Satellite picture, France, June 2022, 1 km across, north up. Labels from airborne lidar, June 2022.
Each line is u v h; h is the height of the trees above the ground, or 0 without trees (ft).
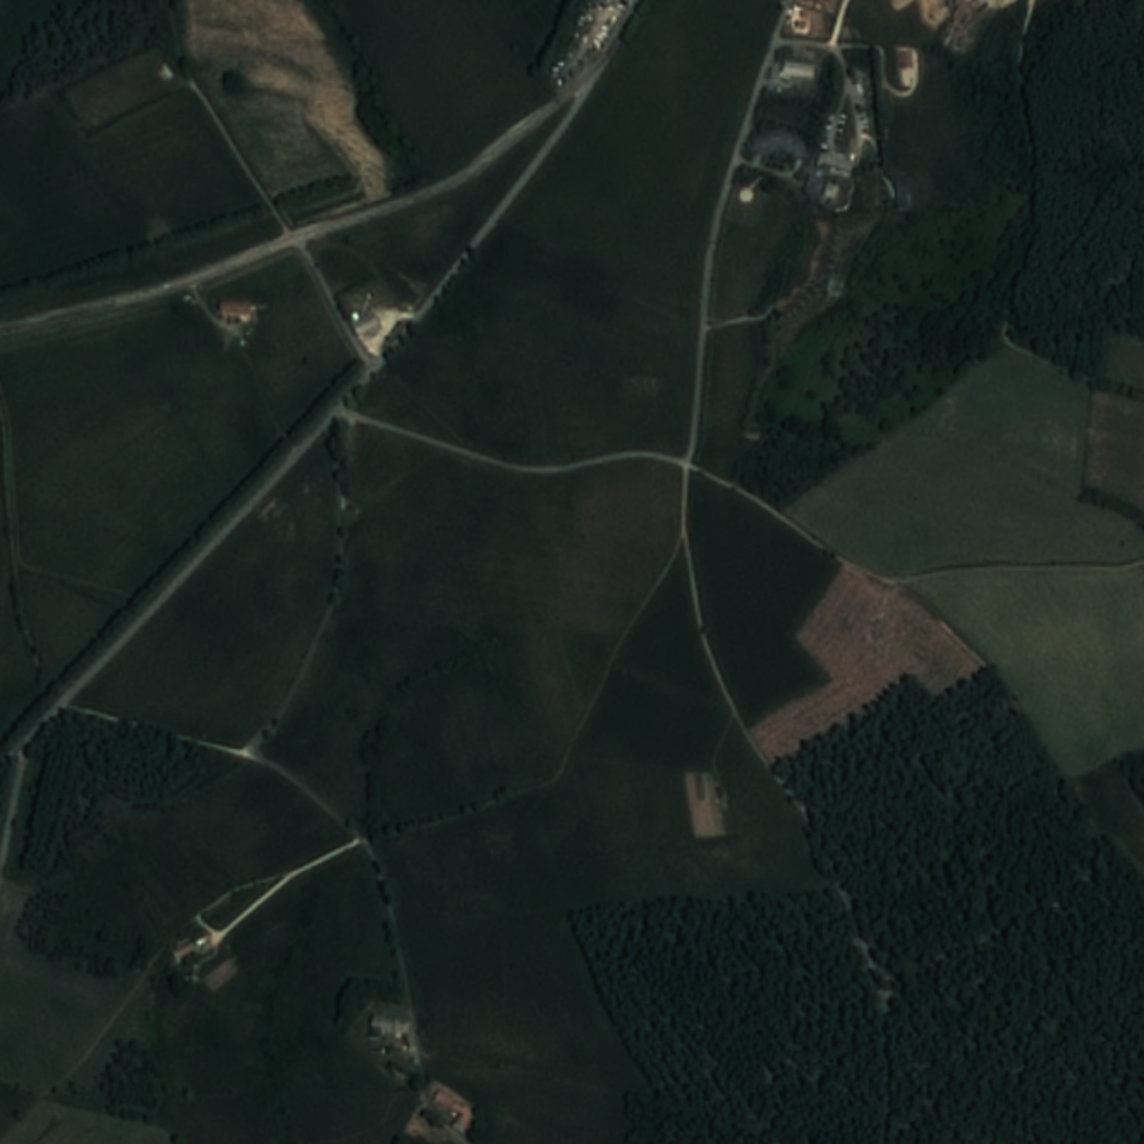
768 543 0
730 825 0
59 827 54
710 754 0
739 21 0
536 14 0
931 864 34
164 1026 0
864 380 51
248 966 0
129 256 41
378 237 0
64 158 0
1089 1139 86
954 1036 60
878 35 0
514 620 0
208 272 0
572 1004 0
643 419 0
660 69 0
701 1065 57
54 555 0
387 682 0
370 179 0
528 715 0
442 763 0
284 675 0
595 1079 0
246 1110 0
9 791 70
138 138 0
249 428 0
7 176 0
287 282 0
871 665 0
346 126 0
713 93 0
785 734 0
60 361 0
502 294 0
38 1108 0
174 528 0
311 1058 0
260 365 0
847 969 69
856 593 0
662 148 0
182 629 0
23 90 42
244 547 0
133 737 70
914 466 0
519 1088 0
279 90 0
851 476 0
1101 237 96
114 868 0
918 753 83
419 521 0
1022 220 30
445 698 0
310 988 0
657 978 67
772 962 69
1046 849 65
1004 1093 52
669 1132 58
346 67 0
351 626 0
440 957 0
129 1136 0
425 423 0
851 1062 82
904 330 48
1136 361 0
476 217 0
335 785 0
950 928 68
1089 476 0
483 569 0
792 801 38
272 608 0
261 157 0
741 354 0
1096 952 60
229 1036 0
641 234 0
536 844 0
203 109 0
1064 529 0
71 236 0
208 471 0
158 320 0
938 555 0
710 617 0
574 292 0
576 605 0
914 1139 28
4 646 0
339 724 0
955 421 0
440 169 0
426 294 0
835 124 0
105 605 0
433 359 0
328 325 0
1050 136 71
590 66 0
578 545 0
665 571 0
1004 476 0
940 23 0
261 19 0
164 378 0
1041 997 85
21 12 0
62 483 0
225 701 0
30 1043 0
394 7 0
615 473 0
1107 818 0
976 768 87
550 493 0
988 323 33
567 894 0
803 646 0
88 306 0
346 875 0
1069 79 77
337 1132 0
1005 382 0
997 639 0
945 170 0
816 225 0
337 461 49
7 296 57
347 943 0
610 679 0
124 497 0
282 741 0
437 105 0
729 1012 78
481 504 0
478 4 0
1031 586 0
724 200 0
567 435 0
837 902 49
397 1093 0
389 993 54
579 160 0
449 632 0
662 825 0
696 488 0
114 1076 44
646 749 0
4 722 0
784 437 38
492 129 0
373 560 0
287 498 0
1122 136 71
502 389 0
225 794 0
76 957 24
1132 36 63
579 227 0
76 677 49
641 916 55
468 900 0
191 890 0
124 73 0
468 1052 0
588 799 0
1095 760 0
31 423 0
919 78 0
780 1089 28
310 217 0
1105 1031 83
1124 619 0
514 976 0
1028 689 0
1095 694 0
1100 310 63
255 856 0
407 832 33
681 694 0
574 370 0
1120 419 0
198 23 0
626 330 0
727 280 0
